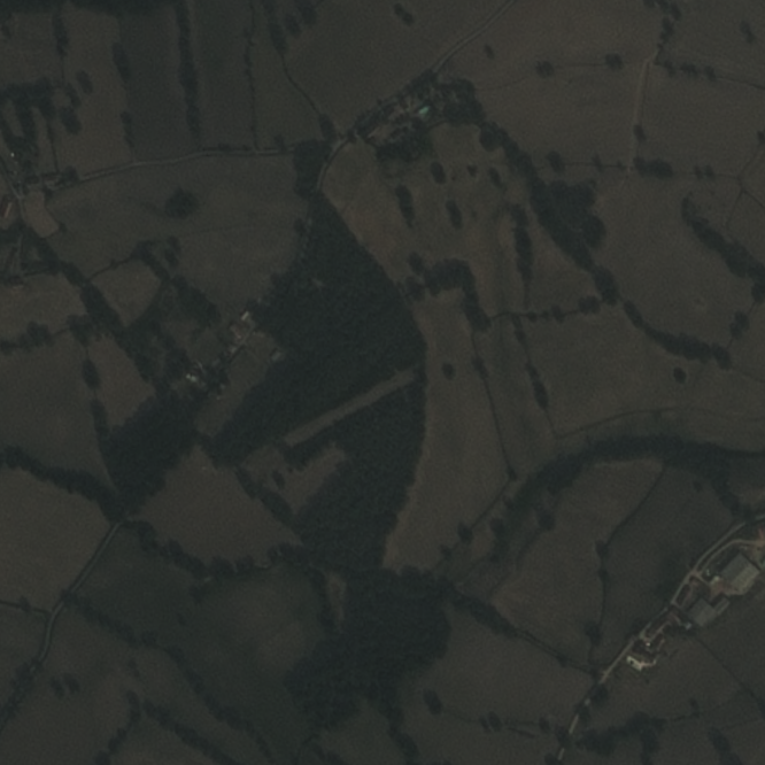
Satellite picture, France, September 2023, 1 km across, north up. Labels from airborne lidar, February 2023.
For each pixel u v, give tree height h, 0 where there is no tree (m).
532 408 0
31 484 0
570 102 0
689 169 0
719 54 0
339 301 15
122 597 0
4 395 0
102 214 0
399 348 19
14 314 0
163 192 0
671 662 0
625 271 0
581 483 0
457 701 0
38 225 0
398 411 12
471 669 0
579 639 0
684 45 0
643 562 0
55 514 0
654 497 0
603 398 0
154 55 0
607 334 0
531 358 0
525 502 0
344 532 13
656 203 0
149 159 0
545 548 0
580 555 0
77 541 0
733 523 0
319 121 0
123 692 0
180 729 12
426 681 0
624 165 8
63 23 16
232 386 0
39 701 0
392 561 0
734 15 0
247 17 0
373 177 0
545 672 0
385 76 0
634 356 0
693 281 0
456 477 0
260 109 0
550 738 0
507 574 0
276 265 0
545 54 0
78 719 0
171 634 0
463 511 0
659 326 0
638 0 0
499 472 0
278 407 23
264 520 0
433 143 0
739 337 9
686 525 0
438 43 0
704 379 0
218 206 0
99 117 0
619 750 0
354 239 11
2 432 0
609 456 15
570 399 0
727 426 0
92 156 0
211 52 0
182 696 0
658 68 0
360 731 0
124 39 0
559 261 0
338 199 0
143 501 10
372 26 0
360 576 18
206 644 0
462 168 0
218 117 0
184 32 15
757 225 0
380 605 19
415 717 0
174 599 0
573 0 0
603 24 0
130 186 0
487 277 0
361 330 15
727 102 0
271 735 0
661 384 0
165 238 0
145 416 18
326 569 17
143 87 0
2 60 0
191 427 6
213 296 0
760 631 0
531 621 0
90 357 0
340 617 0
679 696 0
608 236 0
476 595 0
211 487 0
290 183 0
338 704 19
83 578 0
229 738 0
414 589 20
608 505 0
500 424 0
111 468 13
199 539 0
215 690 0
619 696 0
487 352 0
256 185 0
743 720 0
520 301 0
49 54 0
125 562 0
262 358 0
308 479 0
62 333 0
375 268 22
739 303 0
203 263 0
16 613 0
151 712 17
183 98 0
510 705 0
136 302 0
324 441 16
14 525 0
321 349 21
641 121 0
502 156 0
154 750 0
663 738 0
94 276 0
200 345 0
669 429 0
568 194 14
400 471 16
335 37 0
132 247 0
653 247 0
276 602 0
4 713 15
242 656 0
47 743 0
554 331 0
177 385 0
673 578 0
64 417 0
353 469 13
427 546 0
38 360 0
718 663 0
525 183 0
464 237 0
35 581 0
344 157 0
